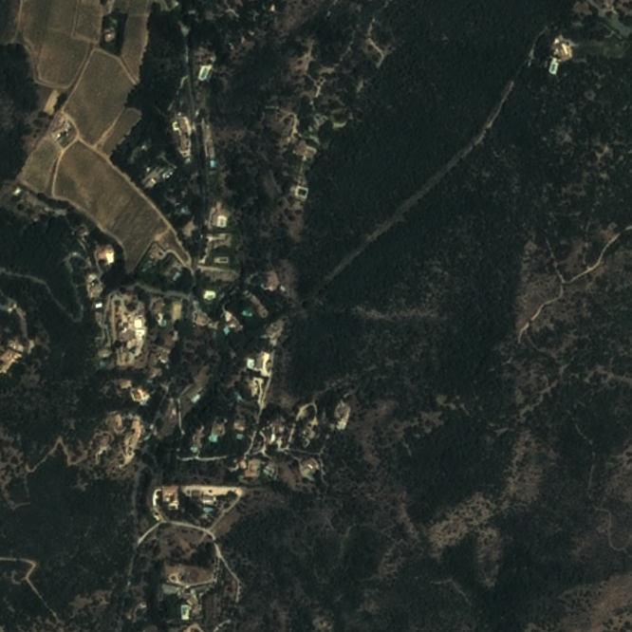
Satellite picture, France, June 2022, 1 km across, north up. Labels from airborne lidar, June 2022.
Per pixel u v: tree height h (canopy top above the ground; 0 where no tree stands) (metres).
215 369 6
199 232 8
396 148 9
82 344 7
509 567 10
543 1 7
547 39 10
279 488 9
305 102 7
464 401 8
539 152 9
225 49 10
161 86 13
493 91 11
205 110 9
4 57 13
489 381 9
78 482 8
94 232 10
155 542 8
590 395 7
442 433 8
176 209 8
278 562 5
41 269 11
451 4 6
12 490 8
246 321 14
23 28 0
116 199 0
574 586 6
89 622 9
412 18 6
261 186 8
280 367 7
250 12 7
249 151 9
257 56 8
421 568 7
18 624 6
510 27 8
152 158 14
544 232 8
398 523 6
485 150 6
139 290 11
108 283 14
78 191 0
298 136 8
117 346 9
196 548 7
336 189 8
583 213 9
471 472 9
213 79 8
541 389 7
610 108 6
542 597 7
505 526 11
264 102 7
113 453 7
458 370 10
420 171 8
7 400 8
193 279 8
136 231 0
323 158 9
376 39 6
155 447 10
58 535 8
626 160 6
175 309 0
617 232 8
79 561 9
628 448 6
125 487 7
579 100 7
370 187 7
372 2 8
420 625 6
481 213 8
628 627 8
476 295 10
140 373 9
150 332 9
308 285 10
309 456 7
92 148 0
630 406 8
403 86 9
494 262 6
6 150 8
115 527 7
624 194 8
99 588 7
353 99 11
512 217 5
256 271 10
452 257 6
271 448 8
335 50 9
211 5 12
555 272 6
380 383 5
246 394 11
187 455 6
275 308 9
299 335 7
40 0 0
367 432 0
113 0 0
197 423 9
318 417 8
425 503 7
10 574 8
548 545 10
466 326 7
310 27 7
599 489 7
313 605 7
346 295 8
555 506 6
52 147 0
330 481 6
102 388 10
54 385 7
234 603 9
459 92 6
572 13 7
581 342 9
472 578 6
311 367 8
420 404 6
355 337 6
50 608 7
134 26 0
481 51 10
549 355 6
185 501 6
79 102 0
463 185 7
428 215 6
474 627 8
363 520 8
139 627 10
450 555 7
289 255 8
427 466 7
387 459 6
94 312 10
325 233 7
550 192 8
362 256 5
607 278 7
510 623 5
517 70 11
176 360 16
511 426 5
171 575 0
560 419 6
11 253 8
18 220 13
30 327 9
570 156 6
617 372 7
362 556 7
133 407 11
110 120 0
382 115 8
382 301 6
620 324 6
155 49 11
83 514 7
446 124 9
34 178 0
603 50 0
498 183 7
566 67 9
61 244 9
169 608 10
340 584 7
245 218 13
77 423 9
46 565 7
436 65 5
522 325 0
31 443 10
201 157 7
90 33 0
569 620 0
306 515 6
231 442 13
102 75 0
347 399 9
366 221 8
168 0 7
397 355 6
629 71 8
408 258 6
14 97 8
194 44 16
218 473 12
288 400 0
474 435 7
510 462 7
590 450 6
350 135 7
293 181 6
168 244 0
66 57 0
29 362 7
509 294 7
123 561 10
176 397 11
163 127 17
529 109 8
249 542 7
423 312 6
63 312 10
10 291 11
